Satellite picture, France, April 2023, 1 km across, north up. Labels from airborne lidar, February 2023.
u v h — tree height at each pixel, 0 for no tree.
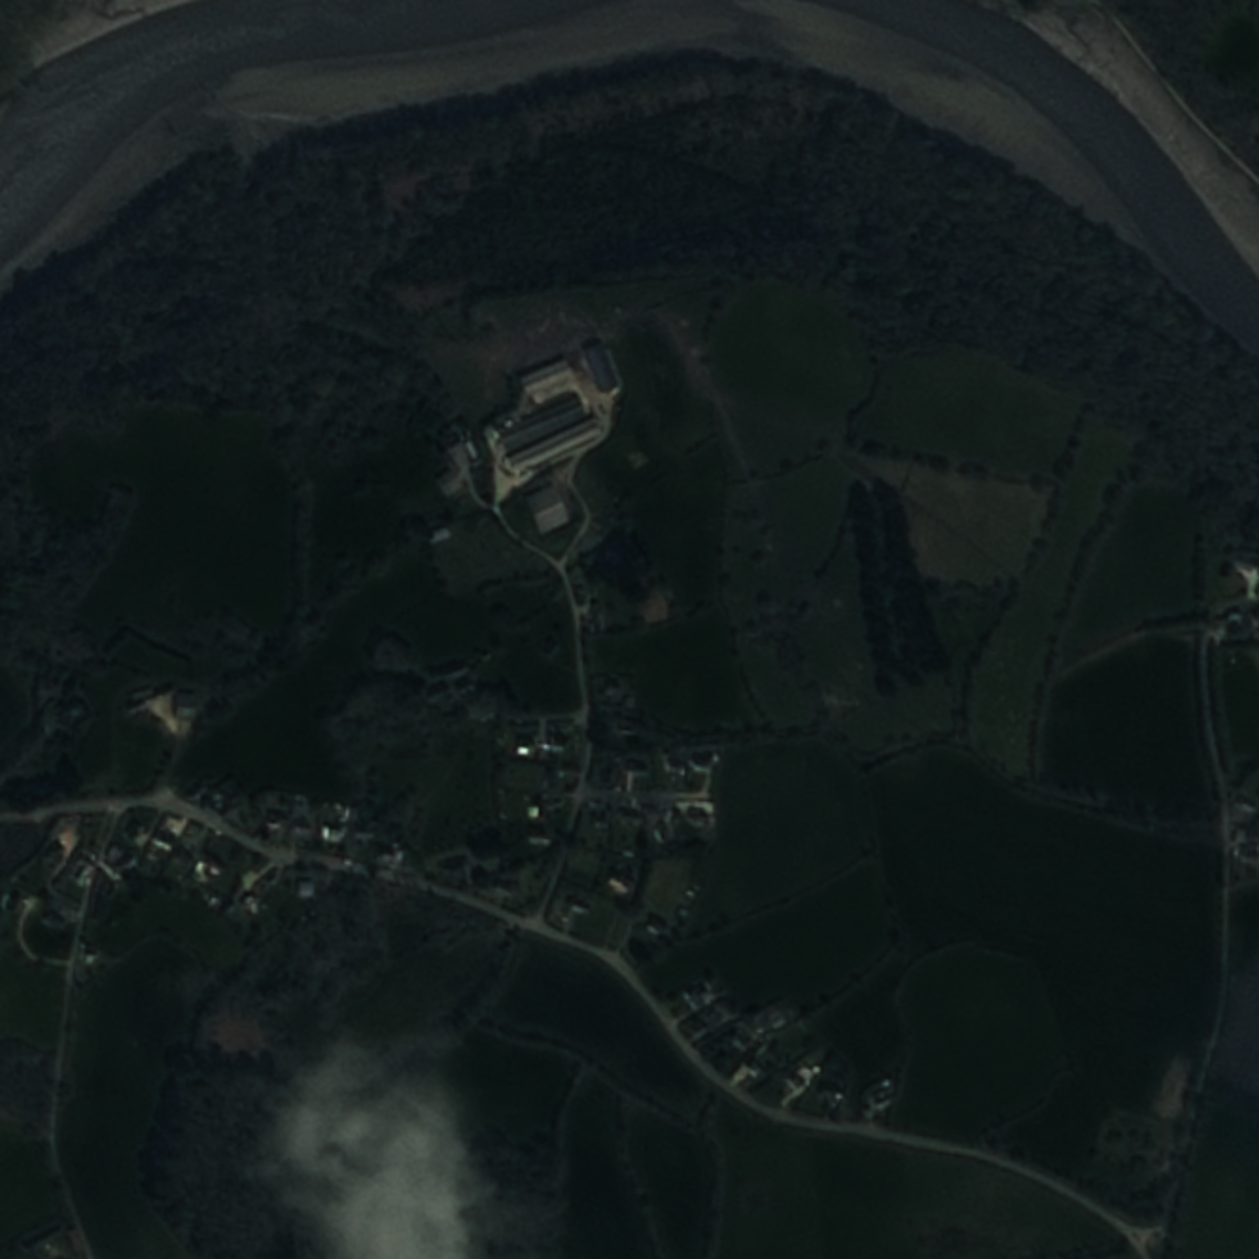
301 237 21
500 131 17
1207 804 0
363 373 22
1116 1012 0
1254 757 0
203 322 18
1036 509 0
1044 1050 0
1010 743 0
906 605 13
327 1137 18
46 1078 9
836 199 25
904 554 17
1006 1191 0
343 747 10
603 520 0
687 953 0
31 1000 0
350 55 0
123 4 0
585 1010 0
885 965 0
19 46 23
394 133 23
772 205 20
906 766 0
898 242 22
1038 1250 0
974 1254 0
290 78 0
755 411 0
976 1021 0
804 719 0
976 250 22
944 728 0
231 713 6
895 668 12
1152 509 0
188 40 0
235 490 0
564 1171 17
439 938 7
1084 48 0
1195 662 8
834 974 0
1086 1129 0
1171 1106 0
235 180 18
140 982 0
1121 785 0
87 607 0
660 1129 0
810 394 0
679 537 0
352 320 17
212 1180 17
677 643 0
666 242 20
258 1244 17
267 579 0
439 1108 18
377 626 0
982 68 0
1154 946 0
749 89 10
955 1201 0
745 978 0
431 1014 0
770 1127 0
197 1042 13
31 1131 15
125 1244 0
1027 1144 0
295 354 26
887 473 0
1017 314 16
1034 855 0
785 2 0
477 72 0
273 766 0
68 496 0
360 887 7
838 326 0
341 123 0
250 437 0
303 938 21
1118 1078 0
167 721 0
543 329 0
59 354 23
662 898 0
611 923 0
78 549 17
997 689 0
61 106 0
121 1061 0
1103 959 0
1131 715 0
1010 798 0
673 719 0
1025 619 0
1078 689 0
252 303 20
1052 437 0
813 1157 0
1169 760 0
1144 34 11
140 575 0
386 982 0
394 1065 17
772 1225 0
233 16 0
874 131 22
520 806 0
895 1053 0
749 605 0
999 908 0
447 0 0
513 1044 7
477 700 12
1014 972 0
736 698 0
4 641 9
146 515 0
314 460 0
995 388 0
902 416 0
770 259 14
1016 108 0
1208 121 11
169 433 0
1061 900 0
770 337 0
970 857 0
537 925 0
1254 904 0
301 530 10
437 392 12
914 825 0
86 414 14
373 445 7
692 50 0
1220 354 20
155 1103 0
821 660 0
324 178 10
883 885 0
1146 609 0
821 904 0
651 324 0
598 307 0
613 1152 0
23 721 0
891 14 0
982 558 0
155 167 0
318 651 0
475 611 0
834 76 0
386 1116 23
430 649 0
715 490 0
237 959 0
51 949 0
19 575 10
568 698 0
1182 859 0
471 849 14
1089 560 8
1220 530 9
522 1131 0
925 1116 0
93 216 0
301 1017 0
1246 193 0
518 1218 21
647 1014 0
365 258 13
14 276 0
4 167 0
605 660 0
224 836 0
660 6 0
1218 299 0
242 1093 19
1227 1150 0
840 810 0
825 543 0
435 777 0
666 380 0
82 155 0
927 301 21
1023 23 0
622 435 0
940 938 0
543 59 0
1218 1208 0
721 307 8
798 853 0
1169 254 0
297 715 0
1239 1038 0
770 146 0
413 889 14
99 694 0
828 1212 0
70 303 7
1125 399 21
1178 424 21
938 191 21
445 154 15
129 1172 0
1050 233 22
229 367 13
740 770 0
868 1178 0
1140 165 0
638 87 17
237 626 8
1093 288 24
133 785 0
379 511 0
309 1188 17
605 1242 0
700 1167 0
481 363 0
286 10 0
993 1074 0
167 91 0
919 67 0
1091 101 0
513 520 0
